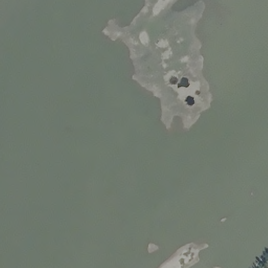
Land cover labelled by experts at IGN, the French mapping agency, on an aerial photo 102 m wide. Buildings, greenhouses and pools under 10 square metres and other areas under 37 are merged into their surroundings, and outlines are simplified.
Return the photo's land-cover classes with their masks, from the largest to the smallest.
<instances>
[{"label":"water","instance_id":"1","mask_svg":"<svg viewBox=\"0 0 268 268\"><path fill-rule=\"evenodd\" d=\"M198 1L205 3L202 18L196 23L195 36L201 43L202 73L209 84L211 103L191 128L185 129L182 117L174 116L171 128L166 129L161 120L160 99L132 79L134 66L129 47L119 39L112 41L104 33L111 19L120 27L129 26L146 4V0H0V268H160L173 258L178 249L188 243L208 245L206 249L199 251V261L189 268H268V0H173L167 6L175 14L184 12Z\"/></svg>","mask_w":268,"mask_h":268},{"label":"bare soil","instance_id":"2","mask_svg":"<svg viewBox=\"0 0 268 268\"><path fill-rule=\"evenodd\" d=\"M173 0H146V4L129 26L120 27L111 19L104 33L112 41L119 39L129 47L134 66L132 79L160 99L161 120L166 129L171 128L174 116L182 117L185 129L191 128L211 103L209 84L202 73L201 43L195 36L196 23L202 18L205 3L198 1L184 12L175 14L167 6ZM208 245L188 243L178 249L173 258L160 268H189L199 261V251L206 249Z\"/></svg>","mask_w":268,"mask_h":268}]
</instances>
